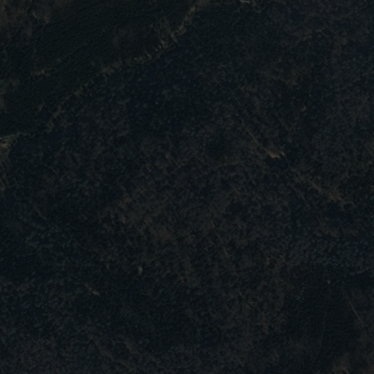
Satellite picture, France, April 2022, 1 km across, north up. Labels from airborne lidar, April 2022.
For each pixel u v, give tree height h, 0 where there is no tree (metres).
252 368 18
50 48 21
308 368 23
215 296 33
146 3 19
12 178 27
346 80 21
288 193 17
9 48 9
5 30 17
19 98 23
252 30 18
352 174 17
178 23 33
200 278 28
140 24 18
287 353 23
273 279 18
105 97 34
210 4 15
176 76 10
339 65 18
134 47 28
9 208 39
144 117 24
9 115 24
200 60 21
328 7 26
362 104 31
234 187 18
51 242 34
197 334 27
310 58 14
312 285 19
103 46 23
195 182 25
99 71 23
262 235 22
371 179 19
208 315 32
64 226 15
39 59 20
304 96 16
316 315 23
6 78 26
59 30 24
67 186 18
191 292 23
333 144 29
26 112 23
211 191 28
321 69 15
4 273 36
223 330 34
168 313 25
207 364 35
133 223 33
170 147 28
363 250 33
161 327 25
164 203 13
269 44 16
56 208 14
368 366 18
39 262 30
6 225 33
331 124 30
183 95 21
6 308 37
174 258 32
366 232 15
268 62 43
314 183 32
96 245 17
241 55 17
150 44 24
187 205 22
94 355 29
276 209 33
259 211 27
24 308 31
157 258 26
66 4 24
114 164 20
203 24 24
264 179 17
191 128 25
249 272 20
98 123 20
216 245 10
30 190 27
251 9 17
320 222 46
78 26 22
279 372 21
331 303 18
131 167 24
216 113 21
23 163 24
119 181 10
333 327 19
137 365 31
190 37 15
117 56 17
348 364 17
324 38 21
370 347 13
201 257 36
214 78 25
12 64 11
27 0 14
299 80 7
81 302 23
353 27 16
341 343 18
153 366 32
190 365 27
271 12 17
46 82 26
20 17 17
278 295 27
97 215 15
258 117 19
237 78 33
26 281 27
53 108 24
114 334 39
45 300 31
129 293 23
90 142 21
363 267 26
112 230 12
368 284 15
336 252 12
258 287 16
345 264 17
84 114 23
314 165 35
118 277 18
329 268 18
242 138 33
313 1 0
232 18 22
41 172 38
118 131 18
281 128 29
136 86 46
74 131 18
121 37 26
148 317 21
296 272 13
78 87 22
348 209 15
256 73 13
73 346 28
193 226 9
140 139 23
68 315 35
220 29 16
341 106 30
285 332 19
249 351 33
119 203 13
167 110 22
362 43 17
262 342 23
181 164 15
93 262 27
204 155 8
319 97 14
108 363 31
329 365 19
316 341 19
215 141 19
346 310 16
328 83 17
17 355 31
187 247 24
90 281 28
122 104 26
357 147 19
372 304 12
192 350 32
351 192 27
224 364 28
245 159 23
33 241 24
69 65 19
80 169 16
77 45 23
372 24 13
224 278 28
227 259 27
